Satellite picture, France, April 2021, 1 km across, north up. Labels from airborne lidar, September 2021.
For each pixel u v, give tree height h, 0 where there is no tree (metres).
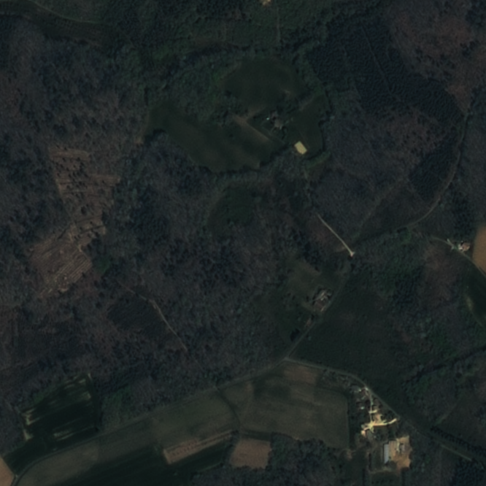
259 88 0
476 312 0
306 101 18
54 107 19
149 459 0
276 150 0
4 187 12
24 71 7
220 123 6
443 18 11
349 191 22
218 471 10
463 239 7
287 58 16
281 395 0
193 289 19
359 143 18
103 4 13
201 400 0
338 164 21
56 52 19
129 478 0
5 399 10
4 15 6
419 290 16
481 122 19
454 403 12
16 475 0
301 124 0
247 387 0
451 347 16
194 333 23
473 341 22
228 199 7
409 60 12
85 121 17
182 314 15
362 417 11
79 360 10
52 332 8
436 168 17
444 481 11
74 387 0
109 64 22
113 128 24
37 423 0
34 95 13
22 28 20
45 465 0
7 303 11
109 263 15
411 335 17
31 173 8
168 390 12
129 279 13
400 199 6
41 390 12
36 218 9
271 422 0
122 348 7
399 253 18
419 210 7
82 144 11
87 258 0
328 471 18
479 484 23
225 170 0
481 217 21
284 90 0
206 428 0
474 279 0
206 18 6
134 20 17
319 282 0
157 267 11
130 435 0
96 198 0
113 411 18
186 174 21
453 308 18
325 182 17
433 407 7
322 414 0
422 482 18
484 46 11
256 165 0
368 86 16
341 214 22
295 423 0
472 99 10
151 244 25
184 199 20
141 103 19
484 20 17
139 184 14
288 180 10
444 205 15
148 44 20
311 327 0
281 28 11
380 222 8
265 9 18
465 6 11
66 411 0
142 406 9
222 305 20
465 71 8
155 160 24
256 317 11
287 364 0
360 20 19
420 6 12
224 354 17
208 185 20
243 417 0
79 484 0
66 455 0
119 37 14
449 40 6
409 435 16
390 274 16
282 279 6
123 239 16
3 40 20
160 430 0
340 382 0
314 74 10
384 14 14
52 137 13
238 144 0
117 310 7
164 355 10
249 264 16
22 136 13
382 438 11
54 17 11
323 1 13
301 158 13
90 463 0
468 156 18
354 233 21
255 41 16
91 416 0
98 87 14
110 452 0
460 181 16
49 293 0
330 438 0
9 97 7
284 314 0
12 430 17
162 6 17
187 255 15
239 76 0
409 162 9
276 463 15
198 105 24
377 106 17
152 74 20
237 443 16
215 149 0
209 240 11
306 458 9
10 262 23
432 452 20
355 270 15
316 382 0
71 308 15
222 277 17
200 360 17
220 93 16
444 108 20
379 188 22
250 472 16
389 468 17
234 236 19
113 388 10
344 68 15
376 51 16
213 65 24
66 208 24
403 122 6
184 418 0
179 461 0
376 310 6
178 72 26
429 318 18
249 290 10
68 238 0
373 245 21
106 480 0
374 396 0
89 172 7
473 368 22
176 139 0
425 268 17
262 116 6
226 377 15
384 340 6
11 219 6
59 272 0
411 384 10
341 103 22
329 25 16
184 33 12
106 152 16
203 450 0
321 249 8
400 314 14
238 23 12
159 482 0
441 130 12
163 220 17
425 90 15
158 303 6
